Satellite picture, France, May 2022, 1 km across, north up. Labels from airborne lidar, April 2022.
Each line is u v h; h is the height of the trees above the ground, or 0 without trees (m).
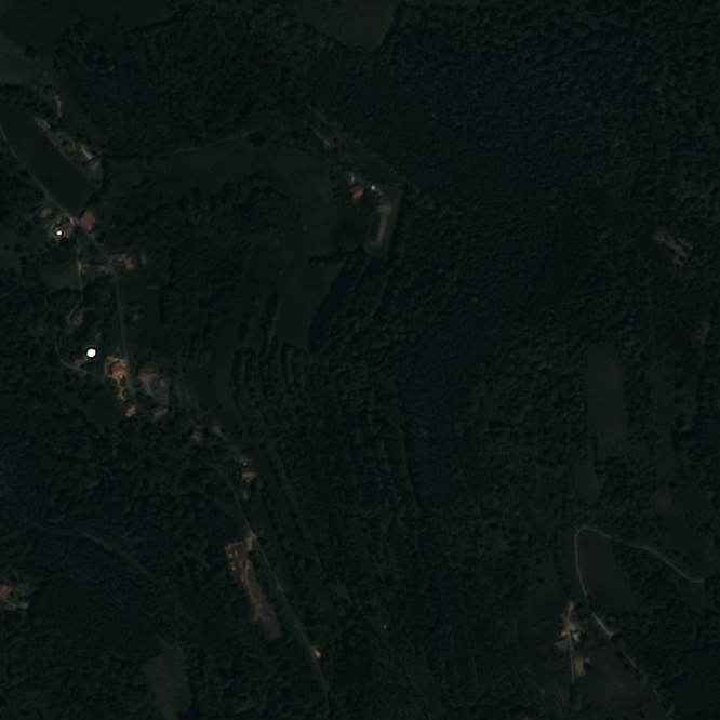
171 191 0
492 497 20
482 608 19
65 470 29
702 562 0
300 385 17
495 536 7
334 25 0
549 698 0
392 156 18
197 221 26
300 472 10
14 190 13
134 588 30
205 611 10
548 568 0
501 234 11
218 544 31
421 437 22
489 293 10
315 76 17
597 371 0
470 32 19
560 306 15
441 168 20
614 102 32
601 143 24
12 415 20
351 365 13
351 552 12
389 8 0
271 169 0
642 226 8
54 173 0
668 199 22
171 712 0
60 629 16
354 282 25
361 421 25
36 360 12
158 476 24
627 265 16
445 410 25
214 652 6
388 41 9
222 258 19
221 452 21
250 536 0
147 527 25
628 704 0
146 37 5
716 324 10
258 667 31
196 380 0
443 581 22
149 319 0
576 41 20
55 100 0
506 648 18
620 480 11
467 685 21
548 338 16
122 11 0
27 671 27
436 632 17
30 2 0
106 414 0
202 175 0
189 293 19
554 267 19
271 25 22
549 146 20
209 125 13
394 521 19
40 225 13
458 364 17
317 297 0
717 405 8
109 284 8
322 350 17
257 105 24
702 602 0
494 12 16
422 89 20
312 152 11
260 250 0
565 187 19
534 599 0
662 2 12
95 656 17
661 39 12
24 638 15
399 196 0
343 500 9
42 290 17
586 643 15
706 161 30
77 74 27
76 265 0
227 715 34
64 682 25
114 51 0
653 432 9
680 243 12
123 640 15
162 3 0
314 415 18
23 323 24
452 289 25
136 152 7
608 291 14
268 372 12
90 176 0
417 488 24
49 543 34
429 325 15
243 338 15
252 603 23
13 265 0
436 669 21
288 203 21
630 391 13
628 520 8
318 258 9
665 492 0
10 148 13
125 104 23
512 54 23
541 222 9
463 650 23
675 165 30
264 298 0
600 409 0
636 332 13
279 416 17
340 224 0
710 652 17
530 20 20
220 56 7
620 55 25
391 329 19
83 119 0
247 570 30
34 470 32
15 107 6
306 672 7
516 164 20
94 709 25
